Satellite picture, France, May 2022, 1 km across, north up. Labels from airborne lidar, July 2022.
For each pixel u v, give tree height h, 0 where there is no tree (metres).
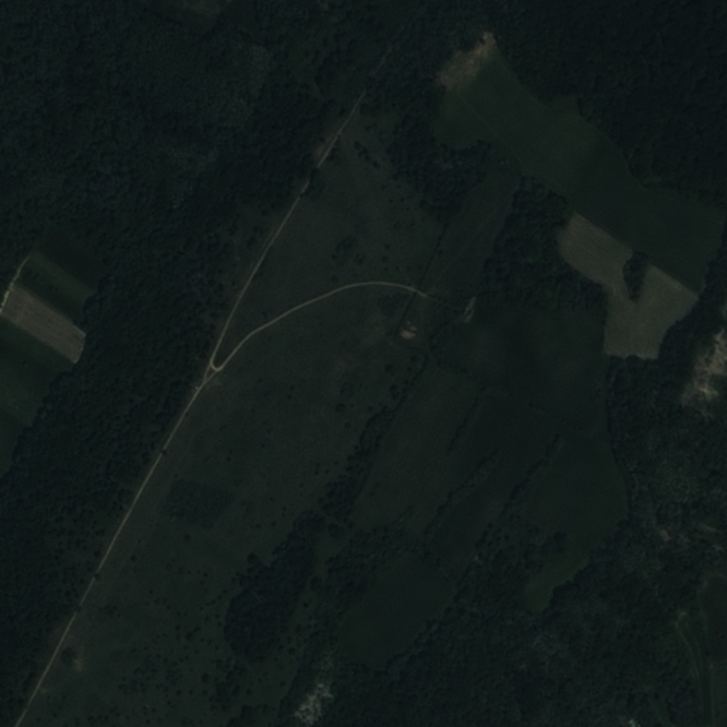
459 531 0
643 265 14
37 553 11
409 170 13
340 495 10
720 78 29
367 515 0
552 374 0
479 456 0
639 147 25
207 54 14
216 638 0
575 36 26
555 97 17
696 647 0
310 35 10
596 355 0
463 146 0
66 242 0
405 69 12
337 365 0
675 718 22
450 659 11
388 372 7
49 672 0
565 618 19
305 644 7
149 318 14
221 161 23
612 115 25
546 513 0
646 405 23
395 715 9
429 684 12
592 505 0
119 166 21
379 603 0
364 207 0
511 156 0
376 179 0
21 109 29
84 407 13
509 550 11
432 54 17
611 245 0
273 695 0
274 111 16
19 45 24
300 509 0
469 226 0
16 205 19
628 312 0
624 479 7
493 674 18
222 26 17
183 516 7
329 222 0
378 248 0
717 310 25
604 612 20
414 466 0
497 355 0
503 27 15
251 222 0
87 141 21
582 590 20
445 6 11
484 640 11
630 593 26
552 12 23
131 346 12
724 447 26
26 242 20
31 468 17
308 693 6
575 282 20
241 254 0
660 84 26
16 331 0
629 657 30
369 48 9
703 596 0
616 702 28
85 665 0
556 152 0
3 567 16
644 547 26
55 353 0
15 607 8
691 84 27
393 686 15
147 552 0
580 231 0
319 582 10
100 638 0
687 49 29
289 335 0
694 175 30
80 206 16
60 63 22
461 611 13
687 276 0
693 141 31
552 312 8
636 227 0
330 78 16
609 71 24
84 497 11
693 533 16
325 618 8
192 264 10
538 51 21
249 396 0
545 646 19
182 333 8
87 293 0
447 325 8
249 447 0
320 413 0
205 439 0
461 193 18
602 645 28
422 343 0
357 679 13
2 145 24
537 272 22
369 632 0
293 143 16
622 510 0
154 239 16
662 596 17
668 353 21
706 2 28
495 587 14
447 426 0
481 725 18
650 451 25
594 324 0
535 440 0
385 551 6
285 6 10
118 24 19
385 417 8
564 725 24
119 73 19
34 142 22
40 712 0
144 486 0
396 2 6
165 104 23
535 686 23
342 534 11
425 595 0
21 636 12
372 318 0
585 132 0
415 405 0
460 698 18
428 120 15
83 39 19
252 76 20
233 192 11
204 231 9
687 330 23
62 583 8
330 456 0
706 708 0
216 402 0
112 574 0
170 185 21
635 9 27
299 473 0
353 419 0
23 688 6
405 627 0
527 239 21
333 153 7
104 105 25
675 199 0
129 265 17
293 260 0
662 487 24
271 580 13
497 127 0
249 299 0
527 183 16
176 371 6
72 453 12
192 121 24
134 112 22
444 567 7
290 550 12
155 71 24
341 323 0
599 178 0
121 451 7
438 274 0
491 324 0
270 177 14
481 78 0
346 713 13
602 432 0
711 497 26
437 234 0
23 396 0
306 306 0
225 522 0
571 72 23
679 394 24
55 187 23
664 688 21
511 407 0
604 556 25
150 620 0
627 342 0
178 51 17
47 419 15
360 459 13
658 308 0
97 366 10
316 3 21
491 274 13
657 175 24
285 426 0
